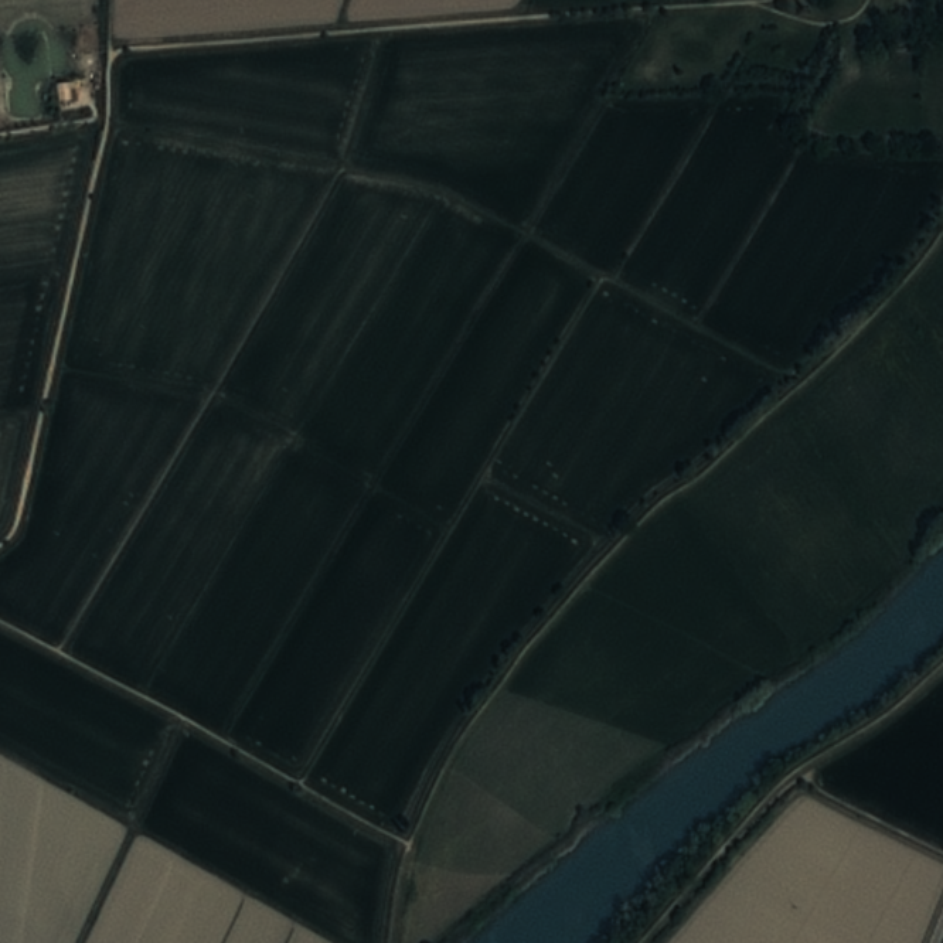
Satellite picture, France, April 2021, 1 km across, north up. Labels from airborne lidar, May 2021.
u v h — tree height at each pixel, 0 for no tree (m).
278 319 0
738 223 0
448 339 0
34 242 0
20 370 0
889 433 0
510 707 0
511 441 0
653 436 0
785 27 0
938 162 0
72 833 0
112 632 0
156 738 0
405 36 0
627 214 0
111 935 0
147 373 0
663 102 0
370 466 0
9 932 0
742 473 0
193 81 0
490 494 0
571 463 0
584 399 0
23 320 0
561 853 5
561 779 0
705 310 0
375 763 0
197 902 0
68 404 0
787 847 0
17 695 0
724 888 0
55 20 0
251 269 0
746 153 0
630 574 0
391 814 0
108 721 0
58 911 0
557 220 0
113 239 0
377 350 0
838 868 0
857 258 0
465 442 0
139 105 0
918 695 0
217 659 0
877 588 0
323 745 0
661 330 0
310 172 0
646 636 0
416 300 0
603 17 9
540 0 0
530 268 0
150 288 0
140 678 0
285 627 0
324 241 0
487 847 0
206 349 0
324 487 0
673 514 0
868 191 0
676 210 0
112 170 0
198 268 0
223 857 0
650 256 0
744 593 0
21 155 0
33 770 0
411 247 0
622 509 0
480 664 0
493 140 0
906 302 0
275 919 0
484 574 0
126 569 0
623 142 0
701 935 0
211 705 0
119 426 0
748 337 0
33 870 0
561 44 0
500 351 0
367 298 0
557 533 0
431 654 0
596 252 0
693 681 0
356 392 0
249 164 0
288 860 0
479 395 0
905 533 0
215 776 0
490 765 0
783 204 0
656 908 14
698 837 11
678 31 0
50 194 0
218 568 0
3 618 0
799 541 0
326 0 0
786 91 14
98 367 0
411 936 0
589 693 0
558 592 12
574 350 0
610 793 0
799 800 0
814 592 0
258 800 0
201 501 0
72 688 0
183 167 0
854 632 13
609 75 0
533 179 0
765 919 0
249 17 0
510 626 0
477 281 0
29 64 0
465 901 0
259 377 0
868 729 0
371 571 0
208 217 0
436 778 0
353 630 0
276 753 0
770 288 0
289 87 0
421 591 0
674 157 0
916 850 0
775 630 0
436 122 0
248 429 0
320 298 0
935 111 0
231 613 0
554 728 0
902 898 0
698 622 0
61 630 0
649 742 0
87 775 0
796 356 0
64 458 0
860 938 0
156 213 0
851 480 0
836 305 0
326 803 0
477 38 0
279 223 0
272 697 0
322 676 0
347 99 0
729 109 0
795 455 0
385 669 0
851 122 0
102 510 0
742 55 8
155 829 0
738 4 0
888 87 0
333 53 0
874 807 0
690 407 0
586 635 0
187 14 0
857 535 0
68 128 6
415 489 0
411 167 0
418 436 0
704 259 0
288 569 0
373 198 0
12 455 0
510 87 0
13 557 0
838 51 17
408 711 0
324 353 0
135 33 0
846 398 0
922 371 0
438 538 0
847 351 0
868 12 0
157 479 0
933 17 22
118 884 0
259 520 0
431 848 0
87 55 0
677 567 0
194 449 0
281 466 0
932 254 0
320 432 0
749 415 15
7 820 0
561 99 0
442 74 0
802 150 15
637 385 0
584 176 0
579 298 0
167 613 0
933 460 0
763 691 16
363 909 0
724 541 0
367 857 0
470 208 0
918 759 0
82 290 0
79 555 0
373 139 0
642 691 0
